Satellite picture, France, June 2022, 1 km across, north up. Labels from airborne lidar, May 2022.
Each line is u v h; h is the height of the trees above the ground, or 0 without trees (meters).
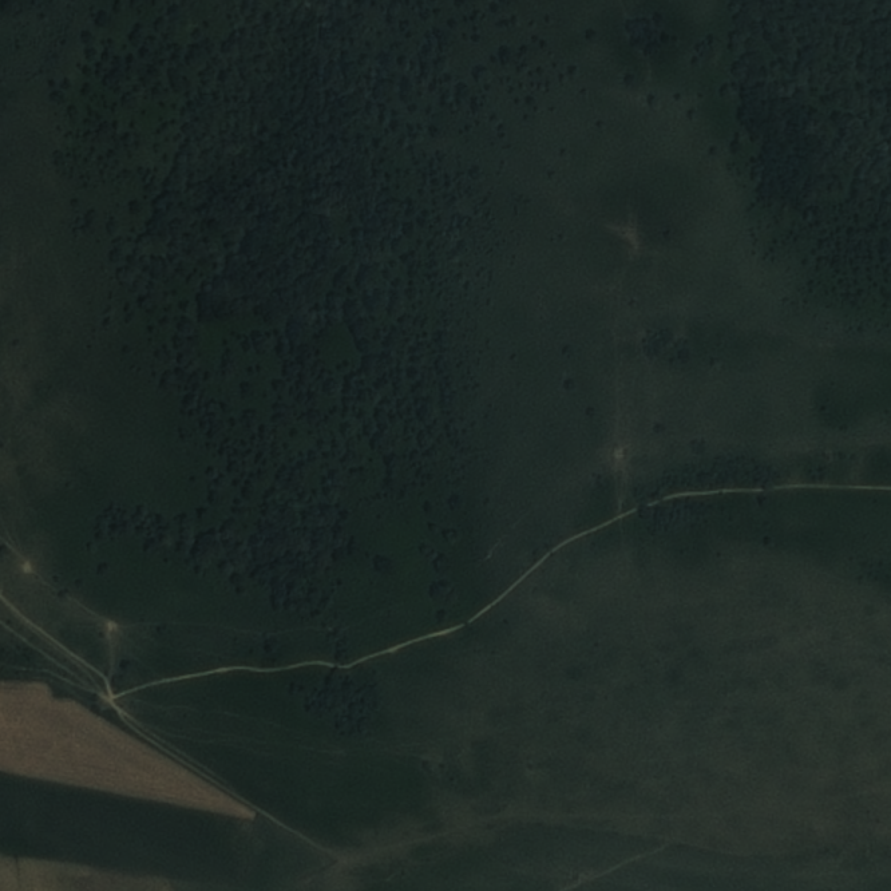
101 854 0
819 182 19
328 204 13
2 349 0
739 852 0
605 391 0
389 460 19
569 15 0
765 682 0
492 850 0
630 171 0
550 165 0
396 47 8
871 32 18
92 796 0
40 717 0
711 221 0
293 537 18
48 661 0
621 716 0
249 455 9
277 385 15
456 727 0
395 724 0
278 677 0
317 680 0
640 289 0
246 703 0
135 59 17
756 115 22
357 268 14
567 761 0
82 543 0
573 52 0
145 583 0
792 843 0
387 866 0
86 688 0
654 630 0
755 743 0
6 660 0
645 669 0
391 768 0
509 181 0
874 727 0
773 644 0
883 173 19
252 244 21
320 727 0
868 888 0
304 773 0
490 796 0
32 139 0
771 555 0
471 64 0
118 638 0
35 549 0
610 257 0
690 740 0
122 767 0
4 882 0
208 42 16
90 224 10
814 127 18
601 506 0
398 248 17
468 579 0
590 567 0
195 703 0
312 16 9
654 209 0
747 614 0
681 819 0
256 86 17
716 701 0
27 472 0
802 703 0
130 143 7
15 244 0
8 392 0
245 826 0
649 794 0
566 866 0
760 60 16
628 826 0
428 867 0
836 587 0
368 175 17
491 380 0
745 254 0
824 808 0
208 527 0
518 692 0
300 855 0
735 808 0
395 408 6
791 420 0
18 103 0
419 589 0
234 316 10
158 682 0
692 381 0
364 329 17
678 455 0
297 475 13
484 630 0
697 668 0
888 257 7
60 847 0
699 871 0
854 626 0
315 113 19
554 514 0
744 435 0
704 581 0
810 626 0
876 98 15
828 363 0
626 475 0
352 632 0
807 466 0
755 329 0
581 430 0
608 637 0
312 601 11
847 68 15
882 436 0
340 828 0
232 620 0
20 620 0
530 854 0
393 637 0
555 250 0
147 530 7
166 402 0
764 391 0
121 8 11
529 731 0
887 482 0
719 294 0
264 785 0
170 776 0
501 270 0
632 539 0
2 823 0
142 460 0
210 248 17
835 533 0
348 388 15
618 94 0
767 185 12
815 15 16
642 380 0
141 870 0
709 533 0
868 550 0
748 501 0
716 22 0
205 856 0
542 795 0
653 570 0
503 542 0
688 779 0
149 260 22
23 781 0
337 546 15
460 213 0
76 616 0
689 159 0
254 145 7
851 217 8
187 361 13
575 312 0
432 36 11
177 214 17
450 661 0
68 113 8
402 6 10
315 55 17
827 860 0
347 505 0
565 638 0
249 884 0
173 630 0
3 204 0
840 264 9
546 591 0
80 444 0
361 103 11
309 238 19
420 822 0
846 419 0
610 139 0
